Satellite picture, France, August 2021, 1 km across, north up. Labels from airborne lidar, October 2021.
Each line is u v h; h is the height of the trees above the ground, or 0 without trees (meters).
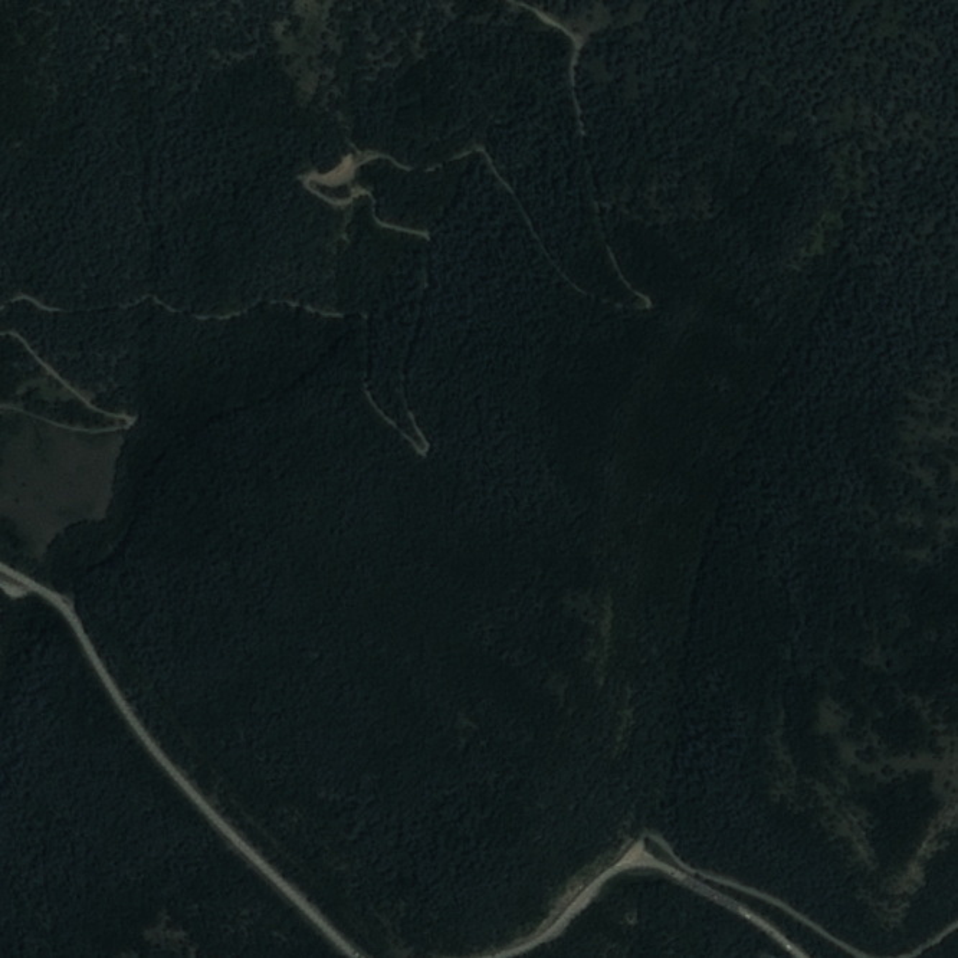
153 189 16
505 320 25
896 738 8
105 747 15
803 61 15
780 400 14
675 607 11
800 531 13
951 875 11
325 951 14
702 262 13
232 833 0
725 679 15
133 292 9
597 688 9
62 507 0
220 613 11
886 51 10
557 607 9
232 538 14
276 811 8
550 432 16
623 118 11
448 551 11
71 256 13
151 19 10
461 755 11
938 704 7
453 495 12
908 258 11
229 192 9
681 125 10
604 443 9
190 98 15
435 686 13
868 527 8
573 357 12
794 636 9
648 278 10
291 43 0
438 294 10
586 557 7
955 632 8
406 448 14
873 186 6
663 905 7
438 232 16
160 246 8
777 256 14
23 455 0
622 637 7
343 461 11
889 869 8
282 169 8
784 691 7
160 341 15
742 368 10
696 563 15
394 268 6
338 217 9
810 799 6
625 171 16
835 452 10
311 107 6
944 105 10
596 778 19
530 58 13
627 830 10
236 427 17
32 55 6
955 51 9
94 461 0
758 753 7
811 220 7
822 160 11
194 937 10
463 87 14
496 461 19
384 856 15
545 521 10
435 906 10
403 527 11
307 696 13
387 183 7
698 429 15
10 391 6
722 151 11
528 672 11
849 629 8
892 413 9
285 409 20
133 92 10
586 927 11
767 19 9
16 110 9
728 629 14
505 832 9
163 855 13
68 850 13
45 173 13
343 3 10
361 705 14
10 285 13
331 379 19
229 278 10
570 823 16
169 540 19
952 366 11
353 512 13
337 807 8
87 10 15
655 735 20
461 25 11
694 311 12
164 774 7
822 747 8
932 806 8
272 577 11
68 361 13
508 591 14
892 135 9
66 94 9
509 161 11
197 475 18
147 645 11
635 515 11
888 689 6
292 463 10
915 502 9
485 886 16
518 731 10
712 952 13
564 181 18
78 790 14
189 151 13
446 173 9
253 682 10
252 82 12
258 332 15
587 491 8
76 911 11
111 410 9
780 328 8
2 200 13
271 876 0
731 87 12
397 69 7
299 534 10
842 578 9
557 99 8
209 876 10
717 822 13
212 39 11
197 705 11
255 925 8
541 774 9
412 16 10
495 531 10
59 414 6
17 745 15
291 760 9
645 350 11
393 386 12
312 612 11
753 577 15
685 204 17
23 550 12
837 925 14
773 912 11
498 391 19
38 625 20
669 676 10
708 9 7
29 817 18
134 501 15
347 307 13
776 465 14
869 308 17
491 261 12
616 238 9
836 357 13
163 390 18
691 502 14
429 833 14
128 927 13
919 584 9
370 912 7
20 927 10
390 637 10
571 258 18
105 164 11
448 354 14
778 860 12
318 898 6
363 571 13
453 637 11
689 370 12
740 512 13
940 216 8
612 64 9
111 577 15
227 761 8
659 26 12
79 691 13
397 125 15
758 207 16
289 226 11
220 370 17
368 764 12
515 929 7
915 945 7
